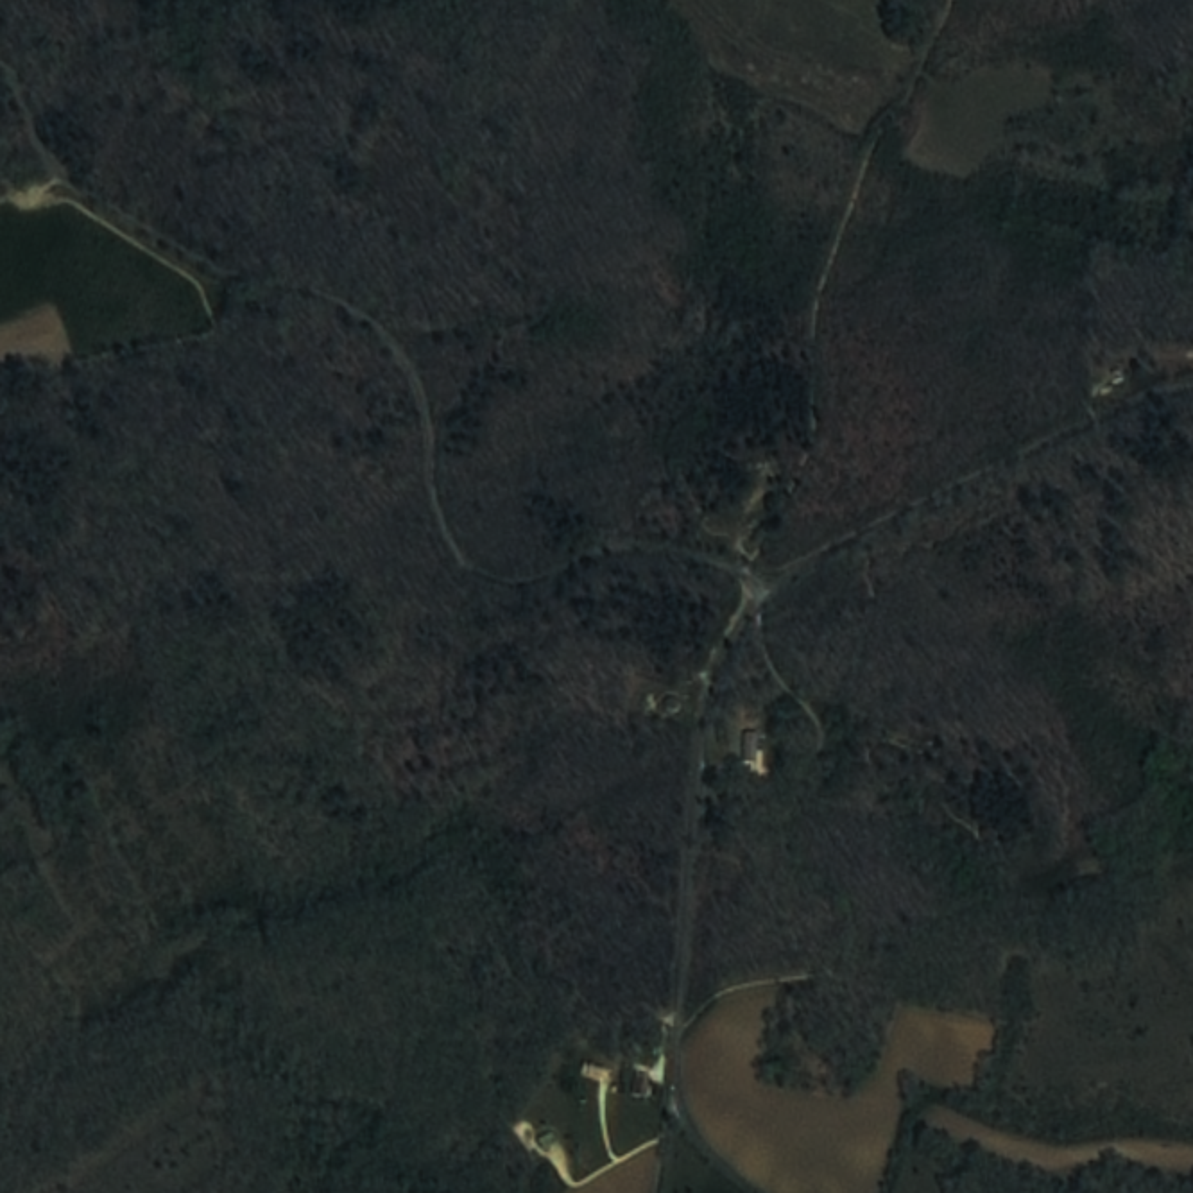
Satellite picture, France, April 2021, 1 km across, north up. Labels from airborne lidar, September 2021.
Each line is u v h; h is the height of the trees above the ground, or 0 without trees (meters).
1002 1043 7
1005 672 11
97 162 17
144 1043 14
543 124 15
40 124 14
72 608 20
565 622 9
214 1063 17
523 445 19
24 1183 13
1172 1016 0
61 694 8
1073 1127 10
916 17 16
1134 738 6
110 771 6
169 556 22
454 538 12
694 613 13
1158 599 7
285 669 16
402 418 15
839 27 0
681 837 12
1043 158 16
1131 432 18
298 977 13
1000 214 9
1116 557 23
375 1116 5
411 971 13
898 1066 0
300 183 17
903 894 16
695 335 18
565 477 17
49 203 0
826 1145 0
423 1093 14
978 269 13
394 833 18
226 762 16
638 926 17
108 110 10
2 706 8
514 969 14
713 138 9
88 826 15
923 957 15
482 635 14
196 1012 19
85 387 20
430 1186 18
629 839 9
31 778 18
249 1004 13
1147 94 6
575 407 13
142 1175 0
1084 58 7
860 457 5
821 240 7
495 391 10
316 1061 14
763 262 8
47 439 17
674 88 9
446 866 18
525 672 15
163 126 11
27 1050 14
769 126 7
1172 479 23
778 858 23
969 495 8
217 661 22
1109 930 11
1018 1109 8
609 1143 0
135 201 18
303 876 16
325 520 16
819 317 7
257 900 15
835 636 14
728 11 0
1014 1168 13
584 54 12
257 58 18
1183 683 7
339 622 21
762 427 13
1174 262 18
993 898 17
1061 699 6
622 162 14
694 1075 0
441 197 10
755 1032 0
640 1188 0
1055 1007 0
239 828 14
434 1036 11
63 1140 11
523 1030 12
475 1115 14
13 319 0
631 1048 16
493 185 20
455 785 18
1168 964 0
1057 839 19
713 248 9
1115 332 20
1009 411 7
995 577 7
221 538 15
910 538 19
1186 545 19
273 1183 15
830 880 17
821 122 7
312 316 19
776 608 8
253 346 18
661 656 13
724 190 12
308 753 17
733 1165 0
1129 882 19
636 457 13
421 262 14
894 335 6
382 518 15
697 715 0
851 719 14
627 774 15
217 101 21
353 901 16
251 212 21
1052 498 15
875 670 18
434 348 11
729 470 13
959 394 6
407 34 23
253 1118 16
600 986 10
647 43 11
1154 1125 7
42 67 20
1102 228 8
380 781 21
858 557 17
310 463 13
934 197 6
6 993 11
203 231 17
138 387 17
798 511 7
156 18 24
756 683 7
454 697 10
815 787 15
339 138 20
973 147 0
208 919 21
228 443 18
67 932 13
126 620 16
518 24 22
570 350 19
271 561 15
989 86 0
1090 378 12
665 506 11
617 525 8
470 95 26
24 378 22
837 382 9
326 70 16
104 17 10
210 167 12
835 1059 19
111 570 22
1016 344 8
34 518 24
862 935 16
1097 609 6
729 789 18
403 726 12
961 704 15
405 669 16
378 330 8
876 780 14
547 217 22
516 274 11
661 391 13
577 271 19
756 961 16
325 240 19
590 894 12
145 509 18
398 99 20
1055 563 15
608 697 13
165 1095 10
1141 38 17
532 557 15
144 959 16
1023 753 12
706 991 10
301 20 12
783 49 0
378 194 14
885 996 15
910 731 13
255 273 14
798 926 14
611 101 9
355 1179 15
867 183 5
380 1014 11
